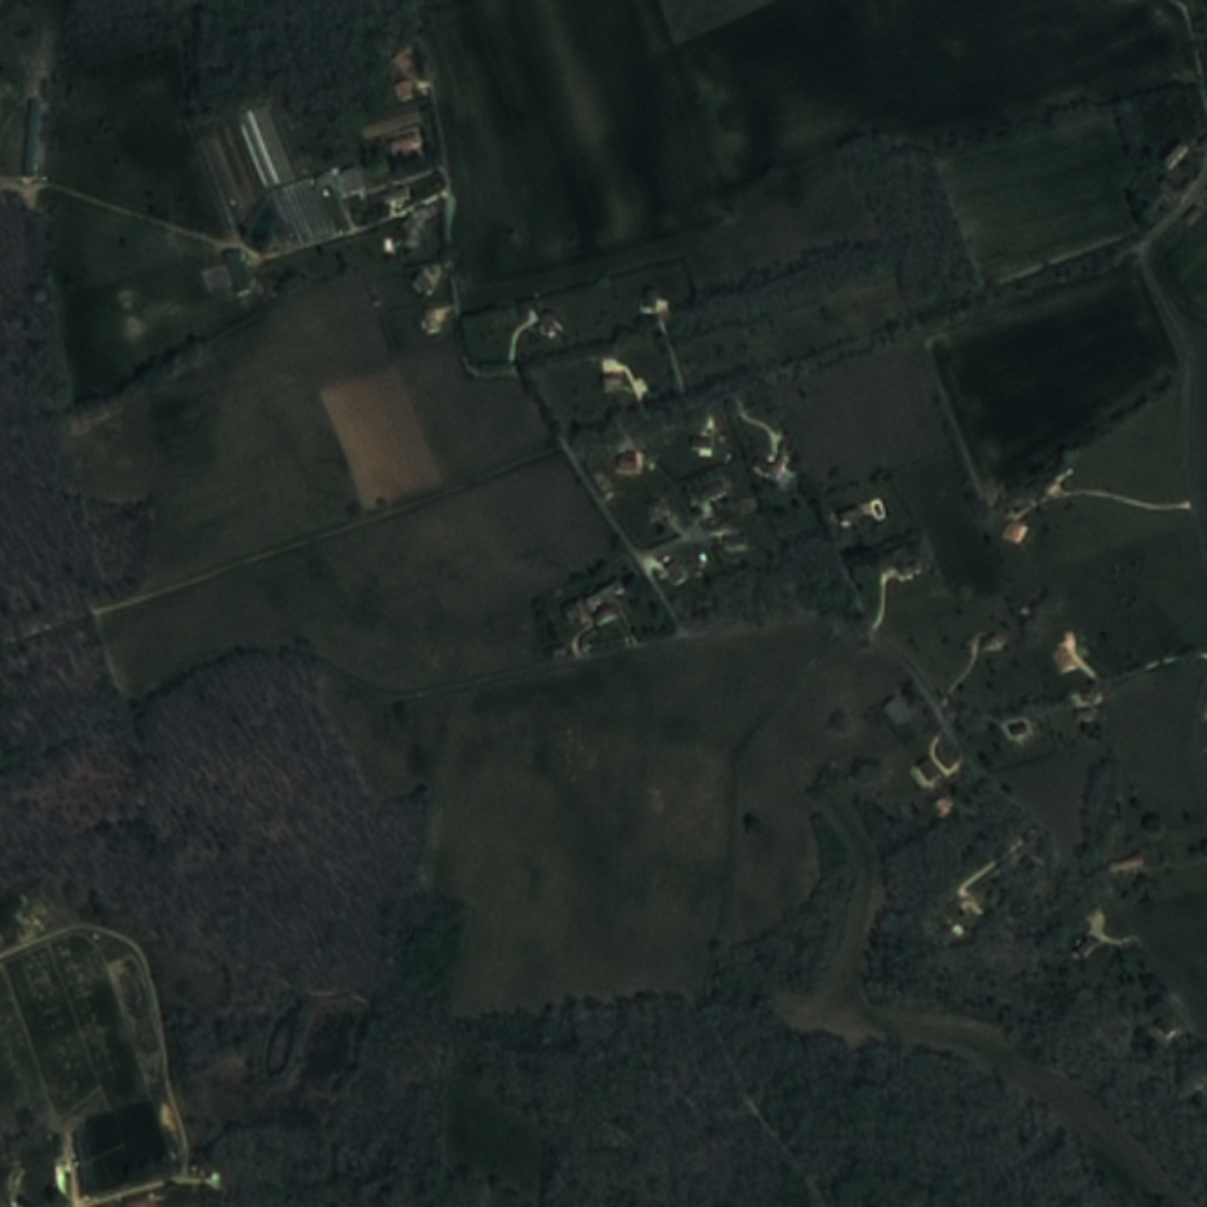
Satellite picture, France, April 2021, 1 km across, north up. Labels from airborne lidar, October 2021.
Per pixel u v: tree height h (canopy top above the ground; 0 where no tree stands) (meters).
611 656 0
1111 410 0
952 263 12
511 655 0
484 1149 0
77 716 18
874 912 0
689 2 0
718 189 0
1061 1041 12
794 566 17
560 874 0
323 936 9
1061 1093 0
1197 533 0
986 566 0
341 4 25
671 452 0
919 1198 22
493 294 0
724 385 12
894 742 0
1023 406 0
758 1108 20
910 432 0
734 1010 10
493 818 0
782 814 0
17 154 0
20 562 16
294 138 0
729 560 0
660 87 0
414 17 22
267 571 0
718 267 0
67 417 11
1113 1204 14
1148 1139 20
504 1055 15
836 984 0
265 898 15
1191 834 0
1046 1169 15
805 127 0
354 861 14
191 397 0
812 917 11
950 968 11
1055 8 0
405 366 0
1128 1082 20
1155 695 0
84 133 0
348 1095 18
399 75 6
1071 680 0
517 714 0
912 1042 0
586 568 0
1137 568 7
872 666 0
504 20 0
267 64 19
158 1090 0
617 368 0
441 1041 18
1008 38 0
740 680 0
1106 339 0
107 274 0
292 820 11
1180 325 0
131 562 7
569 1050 10
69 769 20
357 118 18
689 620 8
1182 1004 0
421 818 15
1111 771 17
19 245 13
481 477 0
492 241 0
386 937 17
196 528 0
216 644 0
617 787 0
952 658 0
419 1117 20
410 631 0
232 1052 16
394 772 0
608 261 0
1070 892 7
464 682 0
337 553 0
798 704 0
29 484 15
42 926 0
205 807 12
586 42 0
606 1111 19
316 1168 13
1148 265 0
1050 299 0
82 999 0
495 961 0
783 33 0
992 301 11
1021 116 0
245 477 0
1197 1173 10
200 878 10
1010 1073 0
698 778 0
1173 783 0
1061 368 0
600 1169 20
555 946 0
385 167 12
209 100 19
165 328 0
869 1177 29
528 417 0
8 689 16
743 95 0
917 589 0
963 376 0
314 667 13
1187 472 0
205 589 0
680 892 0
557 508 0
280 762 9
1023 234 0
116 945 0
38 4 0
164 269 0
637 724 0
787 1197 20
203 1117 8
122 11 7
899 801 0
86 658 11
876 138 8
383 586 0
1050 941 12
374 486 0
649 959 0
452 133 0
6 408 15
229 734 13
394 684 0
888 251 11
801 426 0
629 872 0
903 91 0
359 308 0
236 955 11
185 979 0
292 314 0
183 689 13
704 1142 14
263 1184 16
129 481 0
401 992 18
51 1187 0
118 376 0
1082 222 0
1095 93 0
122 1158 0
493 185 0
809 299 15
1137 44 0
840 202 0
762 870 0
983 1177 23
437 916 21
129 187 0
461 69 0
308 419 0
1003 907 9
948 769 0
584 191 0
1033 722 8
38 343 14
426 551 0
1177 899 0
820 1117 26
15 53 0
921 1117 19
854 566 19
